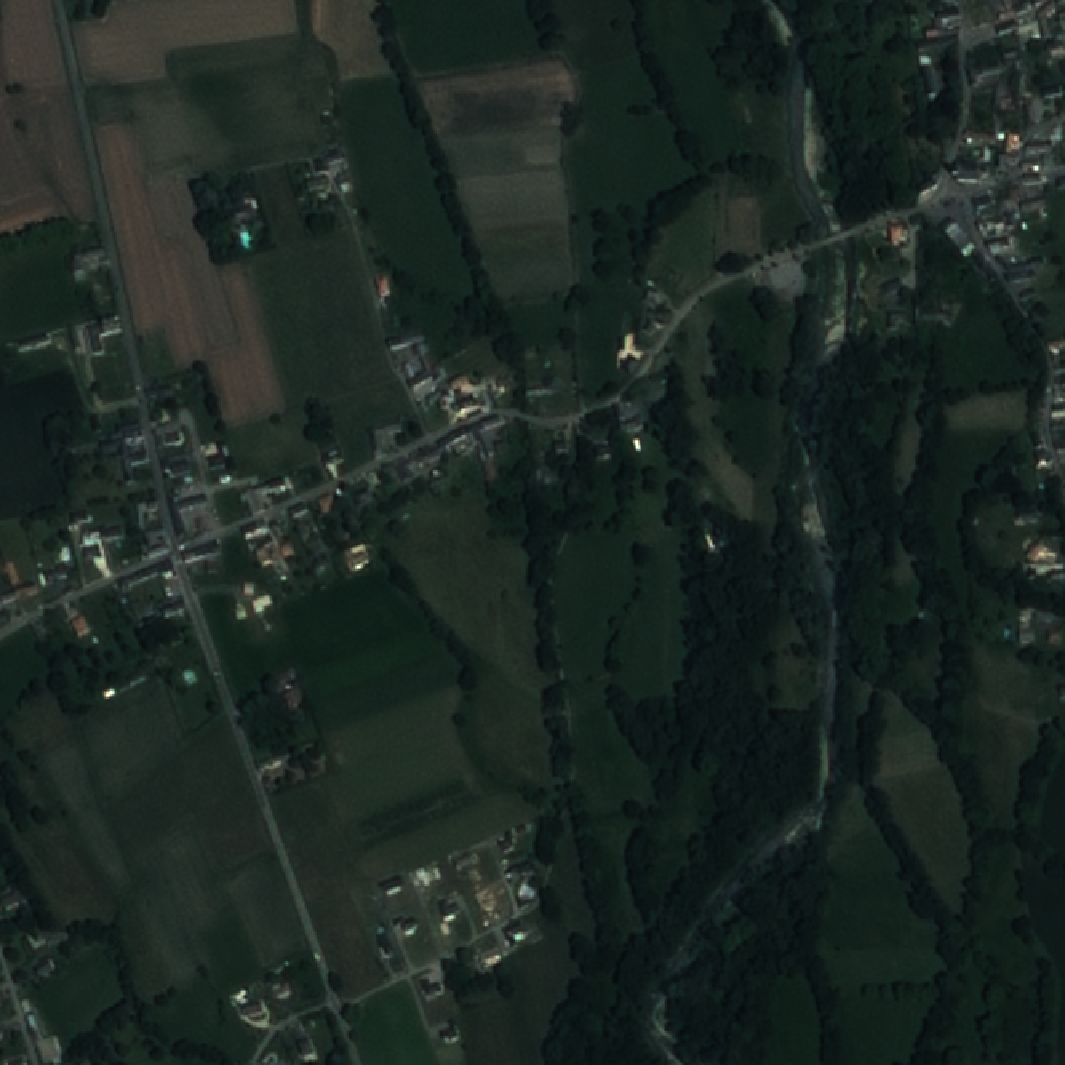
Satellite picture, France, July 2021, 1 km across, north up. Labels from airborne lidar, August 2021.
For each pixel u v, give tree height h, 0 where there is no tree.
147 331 0
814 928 21
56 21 0
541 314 0
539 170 0
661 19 0
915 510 24
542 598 15
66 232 25
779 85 14
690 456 29
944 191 0
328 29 0
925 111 7
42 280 0
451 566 0
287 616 0
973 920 9
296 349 0
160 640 21
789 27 0
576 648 0
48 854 0
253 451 0
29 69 0
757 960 14
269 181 0
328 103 0
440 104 0
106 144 0
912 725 0
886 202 10
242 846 0
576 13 0
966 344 0
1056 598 17
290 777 13
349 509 13
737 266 21
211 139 0
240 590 0
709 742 25
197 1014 0
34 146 0
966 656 16
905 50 8
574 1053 32
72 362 0
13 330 0
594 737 0
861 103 35
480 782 0
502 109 0
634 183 0
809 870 28
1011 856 0
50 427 17
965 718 22
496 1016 0
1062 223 0
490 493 9
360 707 0
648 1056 25
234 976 0
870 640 32
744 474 0
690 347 0
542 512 18
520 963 0
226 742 0
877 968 0
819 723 7
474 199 0
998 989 14
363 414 0
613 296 0
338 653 0
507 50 0
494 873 0
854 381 25
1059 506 16
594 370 0
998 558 0
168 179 0
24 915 17
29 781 0
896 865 0
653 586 0
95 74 0
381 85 0
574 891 0
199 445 0
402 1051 0
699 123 0
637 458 7
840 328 0
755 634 25
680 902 23
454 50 0
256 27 0
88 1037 13
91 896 0
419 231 0
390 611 0
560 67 0
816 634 19
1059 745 22
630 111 7
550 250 0
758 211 0
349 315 0
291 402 0
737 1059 29
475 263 15
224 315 0
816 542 0
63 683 19
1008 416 0
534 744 0
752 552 33
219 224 21
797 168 0
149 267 0
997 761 0
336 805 0
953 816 0
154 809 0
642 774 0
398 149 0
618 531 13
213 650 0
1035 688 0
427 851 0
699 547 11
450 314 0
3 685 0
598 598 0
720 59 17
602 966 26
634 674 0
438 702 0
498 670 0
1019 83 6
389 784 0
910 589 0
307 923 0
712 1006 28
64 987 0
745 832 21
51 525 7
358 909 0
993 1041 19
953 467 0
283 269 0
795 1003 0
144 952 0
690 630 14
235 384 0
